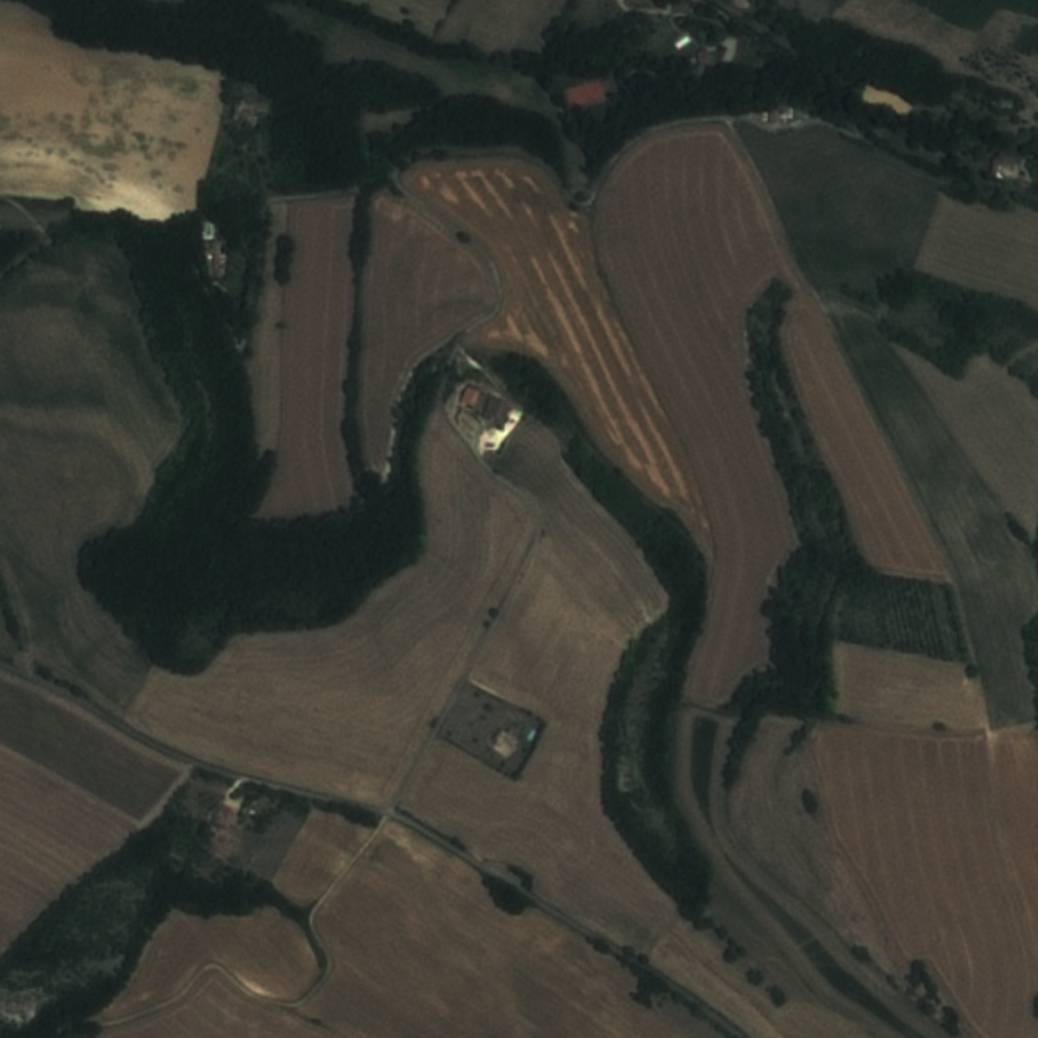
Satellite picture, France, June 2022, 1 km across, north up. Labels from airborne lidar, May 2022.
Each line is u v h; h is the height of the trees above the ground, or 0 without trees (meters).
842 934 0
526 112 13
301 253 0
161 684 0
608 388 0
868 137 12
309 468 0
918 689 0
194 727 0
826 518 8
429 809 0
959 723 0
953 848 0
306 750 0
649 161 0
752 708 11
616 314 0
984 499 0
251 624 13
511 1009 0
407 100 18
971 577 0
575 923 0
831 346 0
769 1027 0
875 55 13
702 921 7
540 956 0
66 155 0
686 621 12
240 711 0
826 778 0
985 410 0
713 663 0
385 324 0
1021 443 0
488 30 0
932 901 0
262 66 20
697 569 9
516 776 9
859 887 0
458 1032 0
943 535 0
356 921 0
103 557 17
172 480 11
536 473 0
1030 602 0
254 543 22
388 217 0
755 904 0
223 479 13
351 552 17
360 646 0
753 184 0
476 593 0
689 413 0
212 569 22
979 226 0
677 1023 0
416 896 0
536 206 0
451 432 0
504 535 0
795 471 9
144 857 10
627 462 0
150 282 12
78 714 0
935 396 0
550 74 12
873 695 0
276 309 0
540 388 17
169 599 17
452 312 0
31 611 0
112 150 0
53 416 0
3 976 8
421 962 0
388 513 19
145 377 0
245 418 17
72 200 9
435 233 0
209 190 9
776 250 0
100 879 8
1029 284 0
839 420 0
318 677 0
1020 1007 0
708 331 0
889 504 0
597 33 14
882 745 0
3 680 0
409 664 0
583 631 0
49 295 0
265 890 11
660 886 11
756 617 0
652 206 0
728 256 0
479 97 12
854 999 0
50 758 0
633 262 0
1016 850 0
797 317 0
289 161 10
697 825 0
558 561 0
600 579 0
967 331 13
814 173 0
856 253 0
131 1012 0
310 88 23
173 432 0
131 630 14
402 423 6
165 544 10
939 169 13
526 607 0
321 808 7
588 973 0
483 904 0
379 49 0
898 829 0
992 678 0
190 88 0
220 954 0
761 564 0
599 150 16
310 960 0
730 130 0
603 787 7
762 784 0
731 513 0
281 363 0
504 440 0
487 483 0
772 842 0
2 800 0
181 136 0
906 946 0
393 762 0
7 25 0
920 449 0
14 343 0
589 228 0
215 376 8
